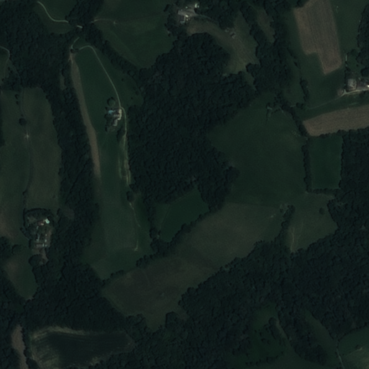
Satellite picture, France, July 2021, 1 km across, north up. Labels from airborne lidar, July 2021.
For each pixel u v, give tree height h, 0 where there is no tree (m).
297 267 21
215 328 34
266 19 0
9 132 0
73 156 22
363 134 20
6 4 13
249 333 21
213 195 15
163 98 14
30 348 17
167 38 0
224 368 19
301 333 29
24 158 0
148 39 0
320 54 0
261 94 16
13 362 19
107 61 0
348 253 19
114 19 0
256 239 0
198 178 16
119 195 0
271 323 15
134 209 0
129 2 0
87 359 0
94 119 0
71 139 18
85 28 17
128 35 0
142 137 24
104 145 0
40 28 21
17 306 15
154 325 0
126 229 0
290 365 0
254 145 0
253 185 0
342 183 19
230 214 0
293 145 0
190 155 27
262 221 0
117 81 0
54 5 0
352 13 0
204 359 27
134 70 11
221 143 0
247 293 27
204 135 20
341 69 0
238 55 0
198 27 0
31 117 0
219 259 0
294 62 0
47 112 0
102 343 0
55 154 0
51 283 29
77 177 15
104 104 0
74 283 20
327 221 0
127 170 0
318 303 22
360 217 10
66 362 0
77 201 21
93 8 29
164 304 0
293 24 0
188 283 0
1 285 23
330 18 0
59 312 16
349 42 0
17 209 0
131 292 0
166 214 0
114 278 12
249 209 0
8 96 0
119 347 0
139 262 15
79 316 32
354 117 0
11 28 17
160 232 9
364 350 0
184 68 22
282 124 0
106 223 0
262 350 0
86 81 0
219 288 28
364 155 23
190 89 10
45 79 17
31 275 0
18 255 0
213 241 0
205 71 26
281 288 26
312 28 0
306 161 15
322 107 0
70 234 22
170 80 17
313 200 0
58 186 0
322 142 0
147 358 22
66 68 12
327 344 0
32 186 0
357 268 28
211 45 27
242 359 0
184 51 30
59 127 12
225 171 11
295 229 0
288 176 0
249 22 22
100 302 27
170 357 31
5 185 0
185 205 0
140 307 0
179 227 0
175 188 21
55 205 0
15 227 0
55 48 22
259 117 0
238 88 32
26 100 0
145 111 21
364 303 30
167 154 28
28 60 8
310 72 0
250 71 22
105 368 25
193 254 0
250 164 0
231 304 27
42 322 24
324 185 0
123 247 0
